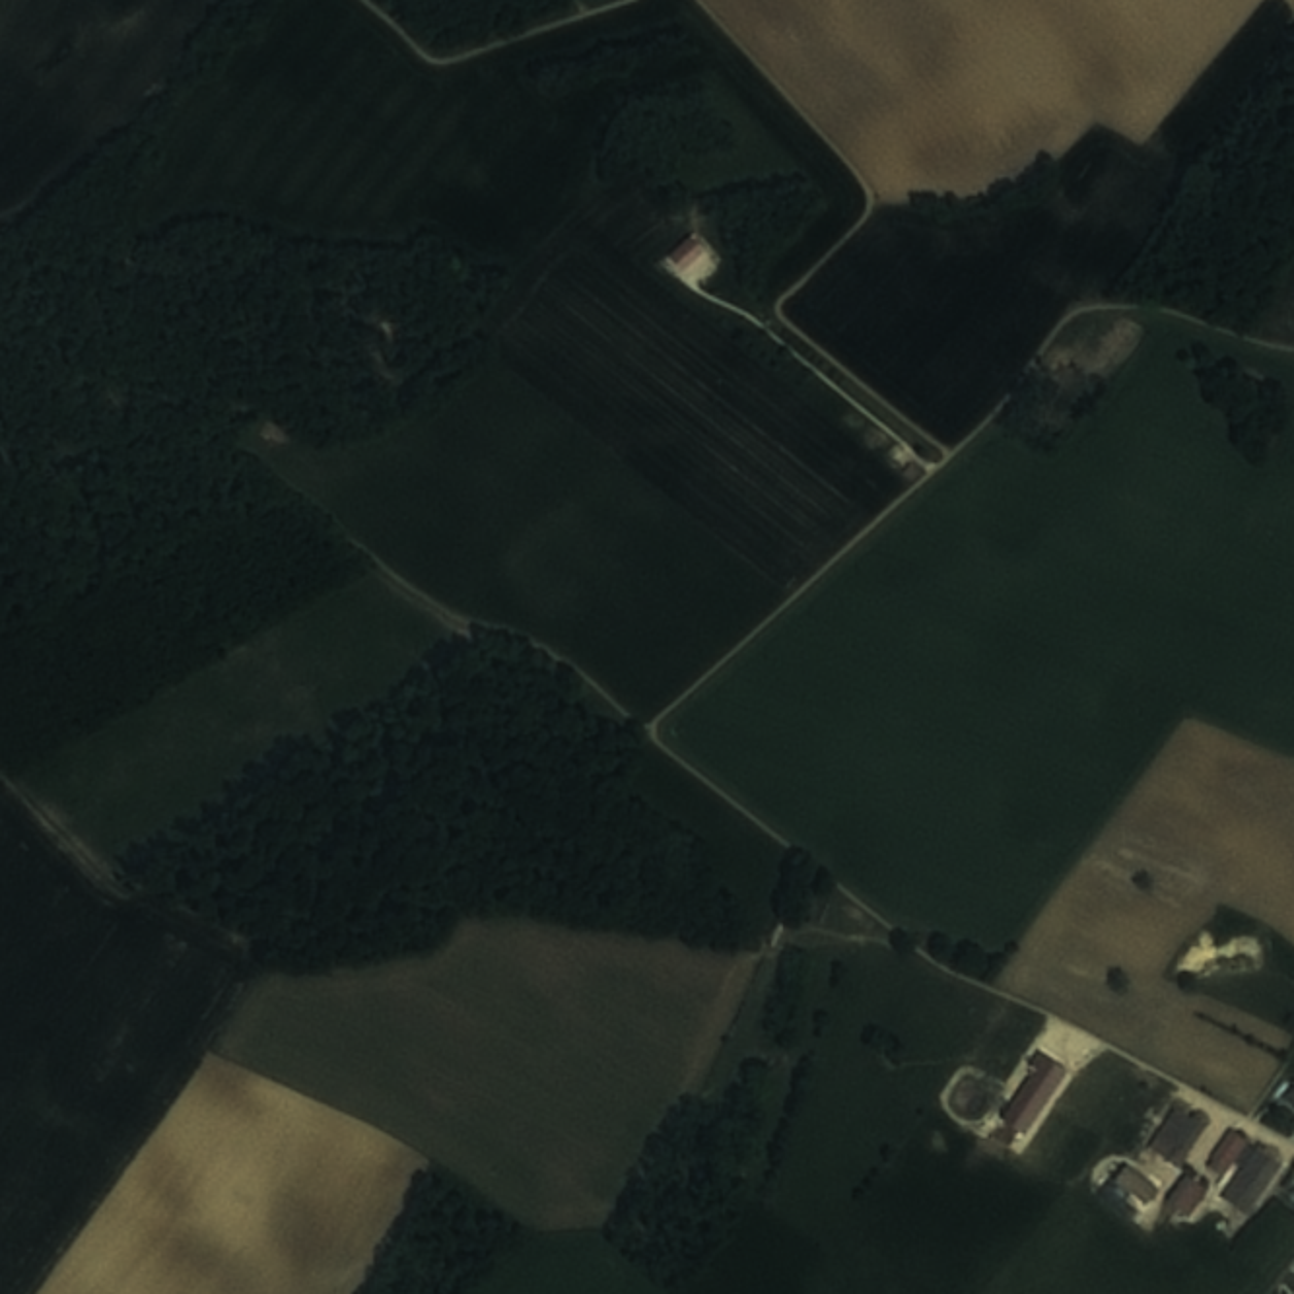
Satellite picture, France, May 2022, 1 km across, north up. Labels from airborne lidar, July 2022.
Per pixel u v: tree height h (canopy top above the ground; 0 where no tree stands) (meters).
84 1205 0
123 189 12
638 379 0
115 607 15
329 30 0
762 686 0
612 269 0
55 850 0
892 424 0
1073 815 0
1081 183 0
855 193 0
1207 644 0
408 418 18
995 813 0
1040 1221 0
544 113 0
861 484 0
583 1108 0
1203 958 0
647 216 0
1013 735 0
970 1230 0
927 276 0
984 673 0
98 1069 0
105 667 14
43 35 0
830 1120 0
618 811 23
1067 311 0
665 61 21
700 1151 23
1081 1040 0
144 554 23
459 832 25
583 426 0
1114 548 0
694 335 0
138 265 18
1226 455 0
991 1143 0
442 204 0
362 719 20
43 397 17
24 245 17
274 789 31
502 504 0
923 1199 0
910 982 0
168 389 17
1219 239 24
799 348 6
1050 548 0
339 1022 0
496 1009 0
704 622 0
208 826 13
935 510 0
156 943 0
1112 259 0
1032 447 16
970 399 0
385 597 0
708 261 0
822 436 0
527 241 0
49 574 20
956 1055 0
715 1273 0
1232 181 24
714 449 0
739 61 0
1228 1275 0
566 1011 0
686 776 0
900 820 0
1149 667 0
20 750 15
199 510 19
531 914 17
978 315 0
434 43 14
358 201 0
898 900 0
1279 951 0
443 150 0
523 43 0
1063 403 24
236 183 0
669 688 0
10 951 0
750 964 0
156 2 0
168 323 21
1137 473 0
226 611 14
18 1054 0
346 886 31
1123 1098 0
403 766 26
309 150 0
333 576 15
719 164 0
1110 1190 0
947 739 0
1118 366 0
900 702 0
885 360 0
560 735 22
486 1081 0
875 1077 0
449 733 8
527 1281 0
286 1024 0
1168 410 0
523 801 26
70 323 19
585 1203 0
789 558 0
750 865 0
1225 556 0
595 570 0
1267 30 0
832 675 0
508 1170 0
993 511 0
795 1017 15
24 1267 0
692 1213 17
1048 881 0
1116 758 0
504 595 0
